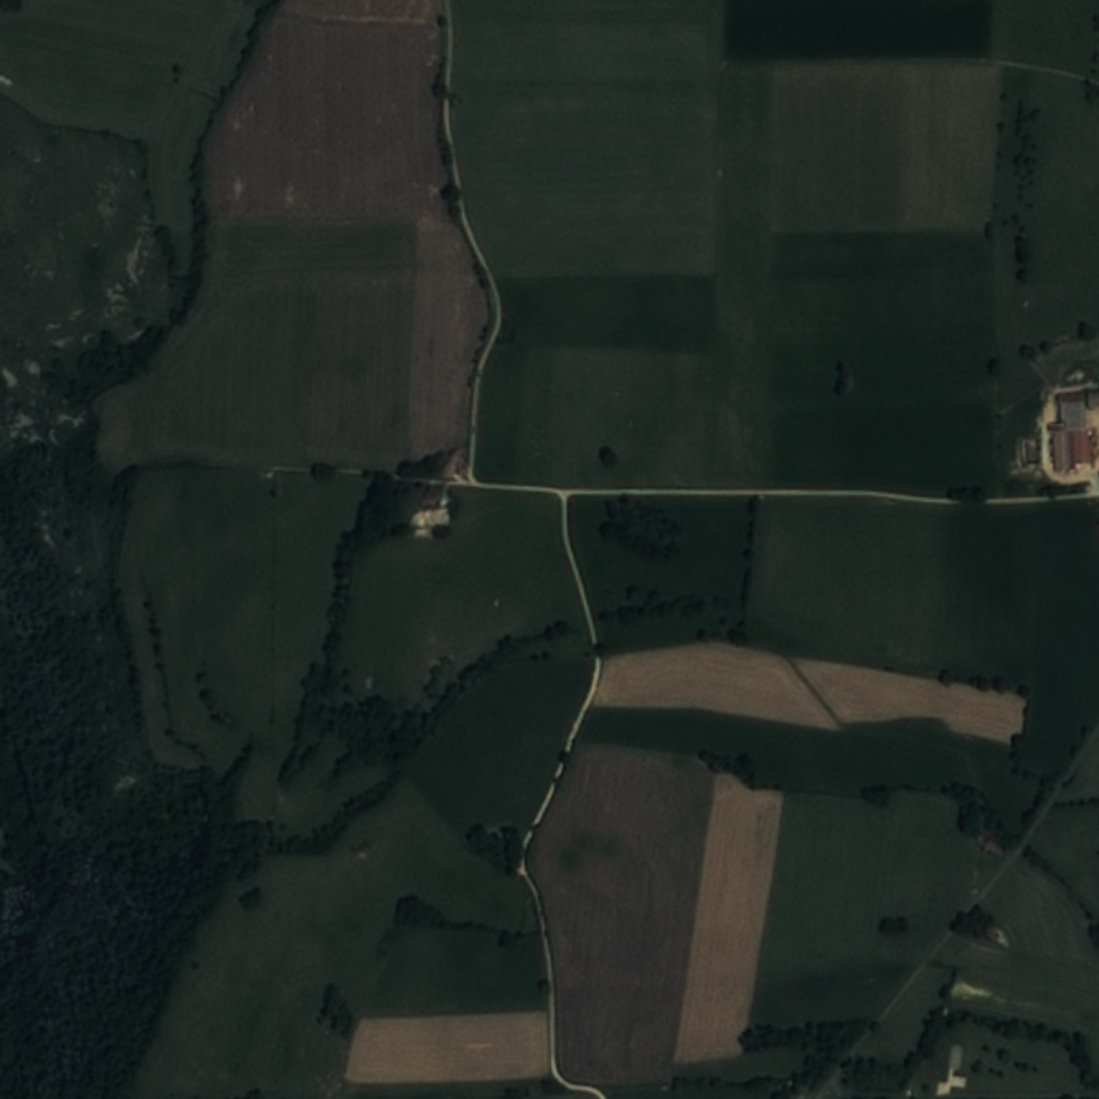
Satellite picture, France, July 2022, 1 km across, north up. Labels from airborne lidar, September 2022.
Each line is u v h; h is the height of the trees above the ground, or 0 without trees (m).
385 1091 0
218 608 0
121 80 0
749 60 0
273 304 0
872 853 0
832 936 0
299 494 0
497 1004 0
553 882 0
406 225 0
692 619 12
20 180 0
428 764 0
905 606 0
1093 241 0
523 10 0
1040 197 0
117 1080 15
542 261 0
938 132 0
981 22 0
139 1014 11
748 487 0
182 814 17
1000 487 0
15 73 0
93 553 0
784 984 0
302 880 0
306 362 0
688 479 0
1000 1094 0
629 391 0
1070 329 0
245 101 0
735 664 0
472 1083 0
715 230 0
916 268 0
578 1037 0
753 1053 11
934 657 0
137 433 0
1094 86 6
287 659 0
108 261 0
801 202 0
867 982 0
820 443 0
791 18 0
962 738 0
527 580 0
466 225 0
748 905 0
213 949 0
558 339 0
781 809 0
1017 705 0
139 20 0
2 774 21
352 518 0
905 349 0
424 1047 0
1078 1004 0
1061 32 0
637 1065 0
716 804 0
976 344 0
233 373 0
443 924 10
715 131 0
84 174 0
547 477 0
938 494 0
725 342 0
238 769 12
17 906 23
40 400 0
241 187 0
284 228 0
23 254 0
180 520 0
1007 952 0
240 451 0
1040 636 0
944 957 0
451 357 0
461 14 0
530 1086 0
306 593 0
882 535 0
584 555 0
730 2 0
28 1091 12
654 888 0
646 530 18
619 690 0
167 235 9
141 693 13
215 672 0
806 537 0
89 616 9
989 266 0
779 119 0
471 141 0
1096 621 0
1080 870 0
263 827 15
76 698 11
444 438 0
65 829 8
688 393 0
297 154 0
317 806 0
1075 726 0
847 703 0
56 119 0
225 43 0
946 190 0
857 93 0
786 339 0
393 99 0
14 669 6
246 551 0
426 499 0
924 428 0
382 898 0
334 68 0
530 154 0
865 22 0
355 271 0
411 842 0
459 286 0
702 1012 0
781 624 0
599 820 0
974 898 0
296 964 0
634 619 18
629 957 0
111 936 7
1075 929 0
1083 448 0
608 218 0
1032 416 0
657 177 0
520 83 0
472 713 0
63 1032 13
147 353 11
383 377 0
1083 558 0
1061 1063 0
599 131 0
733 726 0
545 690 0
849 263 0
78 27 0
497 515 0
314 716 7
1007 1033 16
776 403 0
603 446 0
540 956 0
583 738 0
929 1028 14
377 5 0
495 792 0
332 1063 0
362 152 0
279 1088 0
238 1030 0
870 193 0
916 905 0
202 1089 0
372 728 21
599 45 0
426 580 0
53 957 25
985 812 14
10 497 13
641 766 0
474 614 0
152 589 0
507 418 0
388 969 0
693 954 0
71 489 11
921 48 0
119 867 19
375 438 0
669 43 0
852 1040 13
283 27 0
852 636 0
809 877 0
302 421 0
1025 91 0
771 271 0
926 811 0
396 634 0
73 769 16
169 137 0
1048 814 0
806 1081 8
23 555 7
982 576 0
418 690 0
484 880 0
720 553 0
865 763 0
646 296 0
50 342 0
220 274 0
